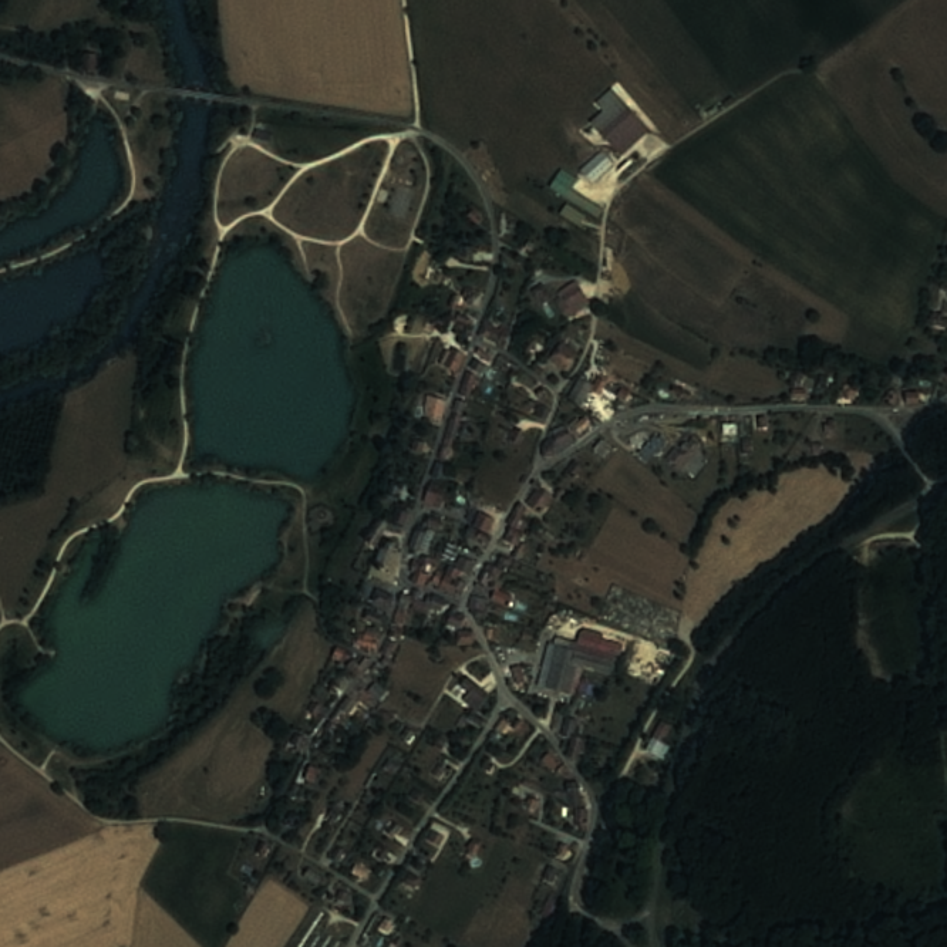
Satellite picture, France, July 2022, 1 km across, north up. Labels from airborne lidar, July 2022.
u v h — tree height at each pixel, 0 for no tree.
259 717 15
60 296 0
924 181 0
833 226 0
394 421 8
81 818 0
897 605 0
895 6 0
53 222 0
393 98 0
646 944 20
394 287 0
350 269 0
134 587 0
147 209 14
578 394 0
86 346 19
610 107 0
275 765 14
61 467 0
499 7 0
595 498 13
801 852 8
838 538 19
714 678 24
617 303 0
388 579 0
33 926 0
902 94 0
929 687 14
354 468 0
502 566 0
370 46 0
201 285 21
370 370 0
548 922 14
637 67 0
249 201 9
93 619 0
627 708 0
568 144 0
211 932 0
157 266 0
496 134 0
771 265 0
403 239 0
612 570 0
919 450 23
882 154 0
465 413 7
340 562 0
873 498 28
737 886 19
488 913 0
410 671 0
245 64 0
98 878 0
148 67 0
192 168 0
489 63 0
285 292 0
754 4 0
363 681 0
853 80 0
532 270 10
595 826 0
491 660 0
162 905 0
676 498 0
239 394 0
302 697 0
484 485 0
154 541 0
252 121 0
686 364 0
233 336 0
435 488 0
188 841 0
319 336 0
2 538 0
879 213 0
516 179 0
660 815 18
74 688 0
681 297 0
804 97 0
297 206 0
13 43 13
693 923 0
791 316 0
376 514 7
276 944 0
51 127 0
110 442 0
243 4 0
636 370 0
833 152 0
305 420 0
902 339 0
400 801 7
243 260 0
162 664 0
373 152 0
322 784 7
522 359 6
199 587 0
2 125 0
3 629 0
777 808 10
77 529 0
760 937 19
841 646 9
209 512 0
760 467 0
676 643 15
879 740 14
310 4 0
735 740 26
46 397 9
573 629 0
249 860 0
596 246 0
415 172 7
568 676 0
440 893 0
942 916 24
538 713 12
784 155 0
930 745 10
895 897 18
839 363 6
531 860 0
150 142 0
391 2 0
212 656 11
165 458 0
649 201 0
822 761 9
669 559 0
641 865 27
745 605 20
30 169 0
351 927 0
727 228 0
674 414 0
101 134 0
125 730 0
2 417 6
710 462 0
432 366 0
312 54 0
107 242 16
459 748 12
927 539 25
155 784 0
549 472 6
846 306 0
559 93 0
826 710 8
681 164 0
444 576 0
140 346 25
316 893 9
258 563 0
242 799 0
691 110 0
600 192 0
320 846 6
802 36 0
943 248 10
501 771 6
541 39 0
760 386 0
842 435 0
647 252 0
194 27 15
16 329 0
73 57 12
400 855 0
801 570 15
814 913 9
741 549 0
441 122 0
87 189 0
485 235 19
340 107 0
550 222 0
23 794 0
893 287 0
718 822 8
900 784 0
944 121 0
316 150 0
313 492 0
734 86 0
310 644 0
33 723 9
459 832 0
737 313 0
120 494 0
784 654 9
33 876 0
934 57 0
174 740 11
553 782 0
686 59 0
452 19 0
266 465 0
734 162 0
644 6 0
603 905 22
